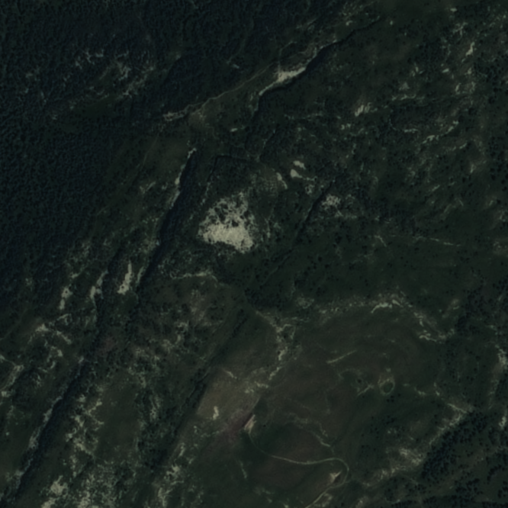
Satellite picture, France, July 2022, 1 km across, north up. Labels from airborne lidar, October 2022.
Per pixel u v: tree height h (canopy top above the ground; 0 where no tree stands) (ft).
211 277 0
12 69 25
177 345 0
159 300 0
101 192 18
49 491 0
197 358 0
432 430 0
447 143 0
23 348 0
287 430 0
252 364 0
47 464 0
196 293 0
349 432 0
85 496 0
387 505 0
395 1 0
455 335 0
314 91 0
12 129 36
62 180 23
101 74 19
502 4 0
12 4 30
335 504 0
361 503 0
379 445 0
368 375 0
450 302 0
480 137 0
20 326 0
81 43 23
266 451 0
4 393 0
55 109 28
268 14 21
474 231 0
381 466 0
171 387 0
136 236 22
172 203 0
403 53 0
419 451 0
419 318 0
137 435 0
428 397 0
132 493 0
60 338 0
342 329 0
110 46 18
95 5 29
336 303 0
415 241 0
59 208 24
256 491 0
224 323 0
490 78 50
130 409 0
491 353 0
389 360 0
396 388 0
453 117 0
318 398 0
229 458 0
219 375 0
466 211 0
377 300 0
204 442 0
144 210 0
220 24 24
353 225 0
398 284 0
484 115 0
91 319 0
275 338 0
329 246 0
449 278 0
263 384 0
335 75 0
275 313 0
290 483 0
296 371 0
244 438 0
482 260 0
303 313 0
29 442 0
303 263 0
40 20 27
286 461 0
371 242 0
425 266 0
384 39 0
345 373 0
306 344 0
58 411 18
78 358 0
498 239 0
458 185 0
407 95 0
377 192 0
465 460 0
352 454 0
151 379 0
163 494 0
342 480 0
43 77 24
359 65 0
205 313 0
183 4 35
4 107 47
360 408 0
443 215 0
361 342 0
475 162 0
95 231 0
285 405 0
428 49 29
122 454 0
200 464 0
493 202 0
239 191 0
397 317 0
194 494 0
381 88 0
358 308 0
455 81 0
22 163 24
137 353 0
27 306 0
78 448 0
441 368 0
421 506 0
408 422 0
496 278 0
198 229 0
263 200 0
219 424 0
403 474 0
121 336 0
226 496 0
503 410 0
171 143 0
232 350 0
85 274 0
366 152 0
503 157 31
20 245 20
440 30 0
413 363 0
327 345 0
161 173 0
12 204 24
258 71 0
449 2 0
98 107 0
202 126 0
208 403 0
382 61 0
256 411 0
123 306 0
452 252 0
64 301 0
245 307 0
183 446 0
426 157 0
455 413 0
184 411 0
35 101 26
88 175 21
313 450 0
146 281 24
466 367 0
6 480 0
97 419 0
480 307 18
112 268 18
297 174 0
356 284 0
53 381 0
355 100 0
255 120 24
